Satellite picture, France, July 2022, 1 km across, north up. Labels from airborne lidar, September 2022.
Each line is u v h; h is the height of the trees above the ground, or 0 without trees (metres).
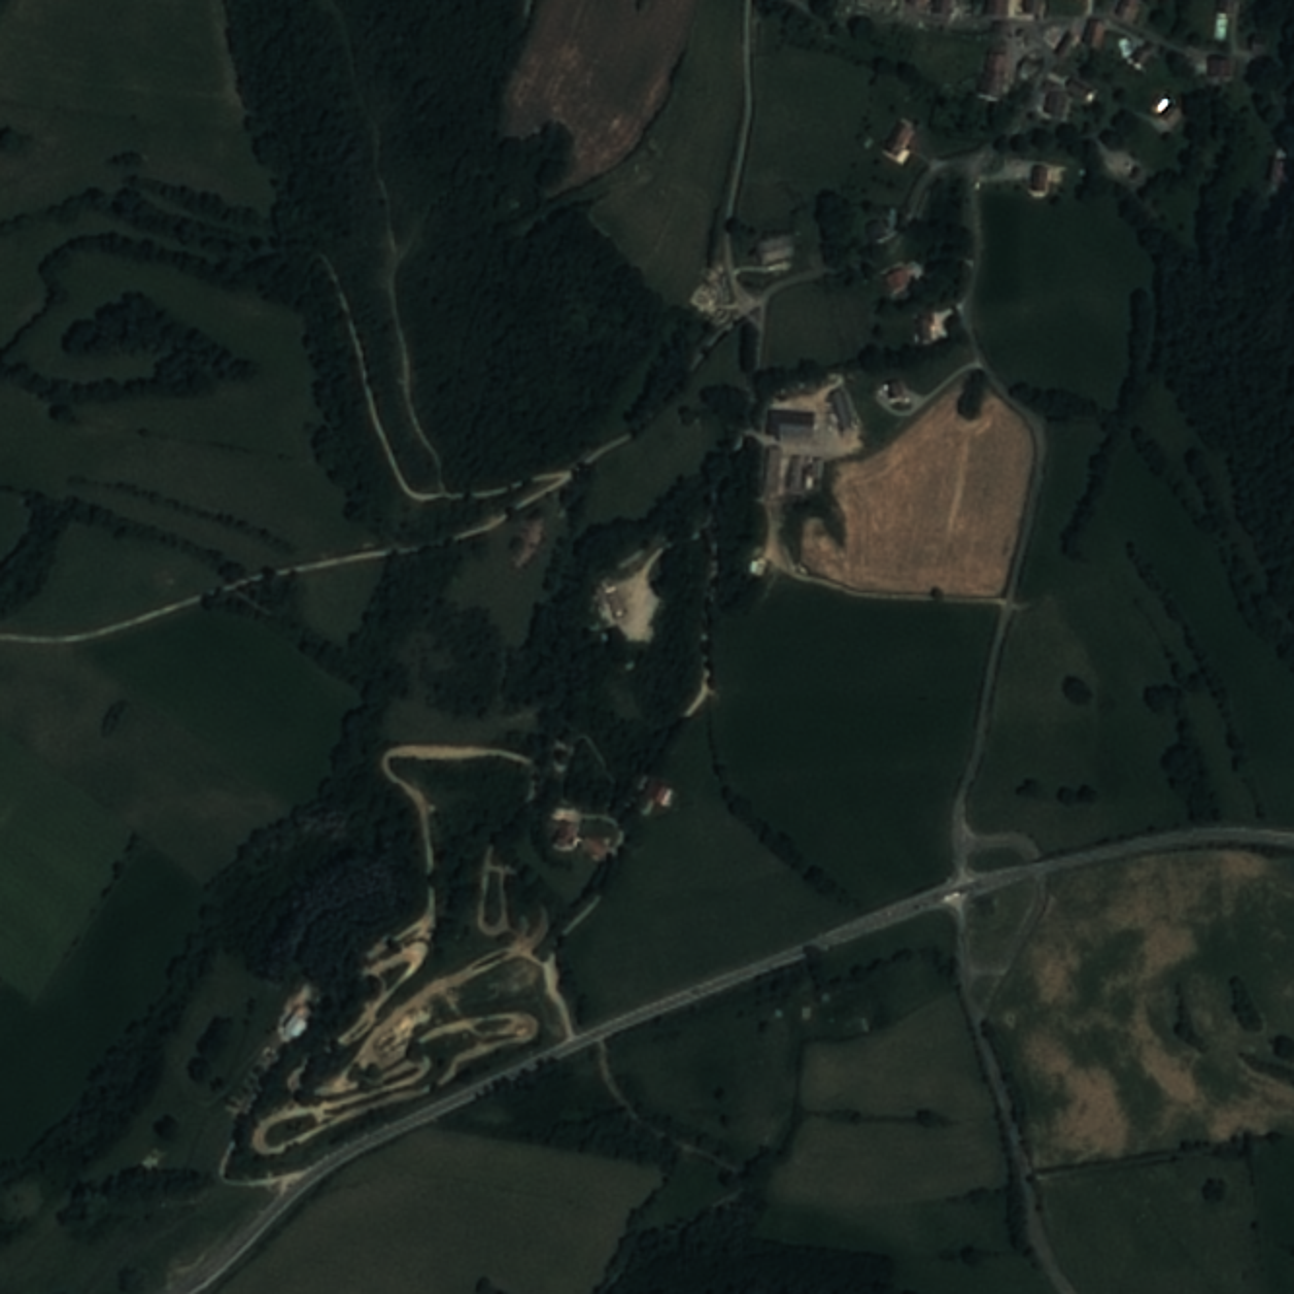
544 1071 14
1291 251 21
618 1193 0
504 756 7
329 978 24
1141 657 0
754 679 0
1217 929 0
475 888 10
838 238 18
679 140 0
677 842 0
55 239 0
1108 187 13
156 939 0
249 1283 0
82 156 0
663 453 0
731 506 17
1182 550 0
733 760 0
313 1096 11
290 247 15
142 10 0
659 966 0
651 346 18
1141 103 0
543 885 16
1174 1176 0
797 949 0
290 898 7
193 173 0
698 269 0
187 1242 0
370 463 6
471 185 6
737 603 16
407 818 16
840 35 11
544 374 6
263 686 0
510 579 0
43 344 0
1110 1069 0
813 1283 13
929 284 18
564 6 0
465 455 6
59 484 0
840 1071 0
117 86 0
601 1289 9
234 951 10
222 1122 0
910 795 0
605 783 14
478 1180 0
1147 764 0
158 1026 8
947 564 0
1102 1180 0
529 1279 0
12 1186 13
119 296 0
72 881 0
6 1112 0
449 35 8
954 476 0
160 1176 14
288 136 14
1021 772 0
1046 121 6
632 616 0
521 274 17
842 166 0
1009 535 0
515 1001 0
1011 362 0
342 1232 0
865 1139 0
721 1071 0
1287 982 0
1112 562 0
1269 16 22
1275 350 20
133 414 0
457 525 11
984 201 0
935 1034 0
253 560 0
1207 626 0
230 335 0
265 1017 0
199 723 0
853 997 0
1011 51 0
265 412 0
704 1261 14
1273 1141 11
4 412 0
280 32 11
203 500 0
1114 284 0
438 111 13
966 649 0
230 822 0
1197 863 0
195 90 0
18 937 0
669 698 7
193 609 0
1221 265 22
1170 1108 0
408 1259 0
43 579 11
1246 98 0
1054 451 0
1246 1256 0
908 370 18
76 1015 0
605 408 17
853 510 0
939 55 0
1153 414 0
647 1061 0
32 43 0
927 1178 0
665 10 0
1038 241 0
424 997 0
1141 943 0
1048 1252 0
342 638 0
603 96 0
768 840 17
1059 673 0
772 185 0
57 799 0
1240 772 12
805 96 0
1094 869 0
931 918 0
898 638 0
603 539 24
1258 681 0
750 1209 19
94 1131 21
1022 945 0
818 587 0
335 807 16
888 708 0
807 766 0
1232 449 16
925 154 0
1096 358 0
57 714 0
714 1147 15
